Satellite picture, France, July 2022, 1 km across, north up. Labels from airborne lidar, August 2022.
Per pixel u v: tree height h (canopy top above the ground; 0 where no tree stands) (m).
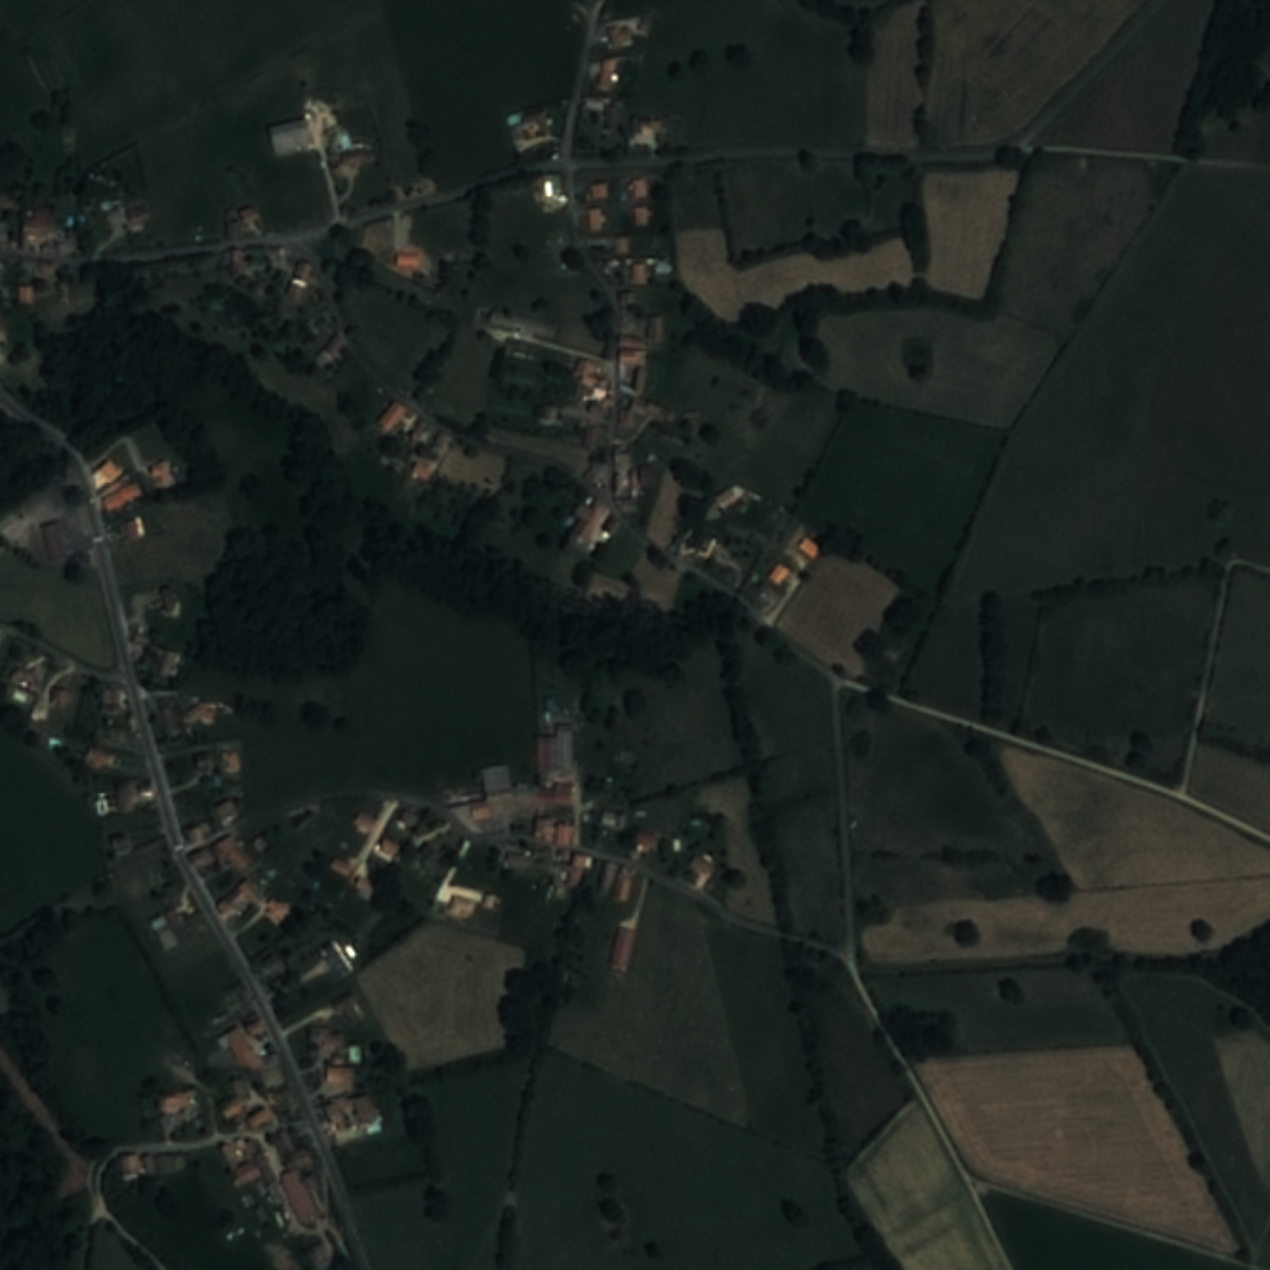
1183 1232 0
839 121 0
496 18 0
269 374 0
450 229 0
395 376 0
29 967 12
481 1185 0
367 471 0
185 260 8
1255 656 0
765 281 0
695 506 22
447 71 0
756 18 0
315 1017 0
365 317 0
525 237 0
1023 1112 0
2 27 0
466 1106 0
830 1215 0
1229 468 0
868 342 0
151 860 0
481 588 40
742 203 0
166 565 0
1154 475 0
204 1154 0
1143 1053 9
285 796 0
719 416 0
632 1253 0
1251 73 9
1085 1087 0
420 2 0
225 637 18
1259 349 0
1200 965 15
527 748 0
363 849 0
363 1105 0
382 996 0
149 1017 0
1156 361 0
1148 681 0
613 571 0
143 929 0
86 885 0
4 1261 14
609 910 0
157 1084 10
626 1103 0
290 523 0
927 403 0
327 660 14
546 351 0
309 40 0
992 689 16
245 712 18
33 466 23
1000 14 0
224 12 0
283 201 0
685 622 9
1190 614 0
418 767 0
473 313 0
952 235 0
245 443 0
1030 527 0
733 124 0
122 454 0
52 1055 13
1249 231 0
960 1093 0
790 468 0
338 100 0
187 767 0
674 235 9
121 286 17
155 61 0
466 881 0
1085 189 0
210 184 0
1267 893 0
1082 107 0
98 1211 0
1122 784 0
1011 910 0
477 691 0
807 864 0
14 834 0
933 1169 0
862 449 0
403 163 0
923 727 0
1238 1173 0
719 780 7
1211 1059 0
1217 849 0
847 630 0
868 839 0
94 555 0
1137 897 0
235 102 0
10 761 0
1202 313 0
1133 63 0
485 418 11
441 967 0
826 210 0
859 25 13
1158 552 0
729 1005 0
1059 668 0
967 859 8
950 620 0
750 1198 0
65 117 8
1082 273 0
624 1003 0
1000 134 0
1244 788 0
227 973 0
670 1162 0
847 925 0
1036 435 0
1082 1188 0
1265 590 0
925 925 0
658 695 0
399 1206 0
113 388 24
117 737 0
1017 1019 0
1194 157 10
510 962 0
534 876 0
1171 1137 0
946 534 0
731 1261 0
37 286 11
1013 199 8
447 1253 0
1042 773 0
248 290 6
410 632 0
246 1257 0
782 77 0
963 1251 0
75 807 0
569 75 0
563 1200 0
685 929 0
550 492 11
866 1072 0
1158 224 0
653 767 0
